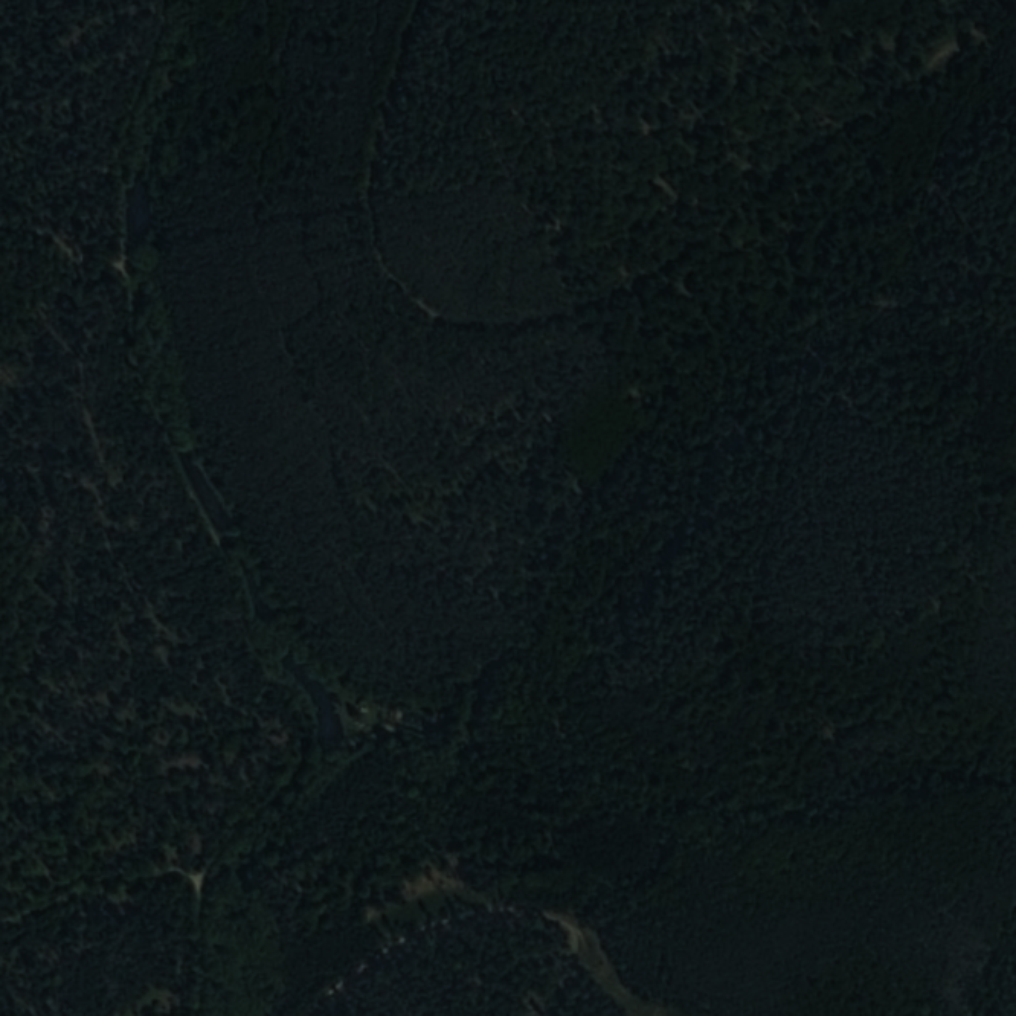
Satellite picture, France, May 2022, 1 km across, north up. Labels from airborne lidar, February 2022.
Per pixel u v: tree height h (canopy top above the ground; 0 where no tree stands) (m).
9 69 30
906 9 30
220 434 21
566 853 15
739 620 23
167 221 13
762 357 13
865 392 27
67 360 12
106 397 13
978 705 22
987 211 28
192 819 27
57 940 11
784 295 30
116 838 18
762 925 17
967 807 27
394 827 13
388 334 21
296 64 13
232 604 13
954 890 23
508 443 23
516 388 25
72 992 14
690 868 23
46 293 31
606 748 14
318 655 26
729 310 30
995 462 12
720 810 11
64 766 29
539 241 19
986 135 30
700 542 31
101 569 7
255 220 16
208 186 13
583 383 29
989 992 16
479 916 24
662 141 29
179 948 9
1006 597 23
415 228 23
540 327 28
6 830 29
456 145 28
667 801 13
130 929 20
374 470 22
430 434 27
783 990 21
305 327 20
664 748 13
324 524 18
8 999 25
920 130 19
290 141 13
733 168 31
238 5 15
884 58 33
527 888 11
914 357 15
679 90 22
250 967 18
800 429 23
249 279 18
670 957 21
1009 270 26
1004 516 19
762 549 22
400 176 28
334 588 21
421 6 15
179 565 12
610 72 25
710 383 14
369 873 28
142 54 9
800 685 14
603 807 14
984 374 23
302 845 9
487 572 12
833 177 21
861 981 20
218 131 13
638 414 27
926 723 29
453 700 22
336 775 22
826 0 27
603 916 23
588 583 14
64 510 27
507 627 26
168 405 24
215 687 13
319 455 21
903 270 13
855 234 14
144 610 29
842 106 28
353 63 15
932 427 26
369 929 12
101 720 9
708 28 23
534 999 29
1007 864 26
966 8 32
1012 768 26
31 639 23
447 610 21
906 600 25
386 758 12
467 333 21
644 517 9
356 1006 28
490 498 25
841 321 11
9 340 32
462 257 18
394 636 22
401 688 23
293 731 11
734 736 9
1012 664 22
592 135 24
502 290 23
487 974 31
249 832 21
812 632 21
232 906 16
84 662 27
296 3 10
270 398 18
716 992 21
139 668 11
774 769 12
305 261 21
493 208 19
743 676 9
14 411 7
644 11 24
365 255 22
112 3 10
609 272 22
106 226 36
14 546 22
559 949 31
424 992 29
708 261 26
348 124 15
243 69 12
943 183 14
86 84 27
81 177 35
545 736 16
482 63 28
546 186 22
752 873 21
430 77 23
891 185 10
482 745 18
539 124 28
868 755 12
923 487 25
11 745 26
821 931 18
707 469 11
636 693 13
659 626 32
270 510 21
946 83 10
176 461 11
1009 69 12
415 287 20
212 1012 19
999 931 14
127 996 11
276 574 21
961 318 26
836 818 27
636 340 31
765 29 25
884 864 25
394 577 23
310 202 15
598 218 32
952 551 19
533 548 9
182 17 17
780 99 30
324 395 19
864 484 25
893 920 23
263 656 21
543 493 32
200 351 17
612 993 0
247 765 30
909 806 32
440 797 17
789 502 29
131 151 18
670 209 30
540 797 15
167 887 16
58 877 16
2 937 12
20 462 11
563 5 27
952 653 23
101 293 28
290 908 24
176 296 19
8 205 29
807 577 25
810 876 22
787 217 32
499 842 25
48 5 26
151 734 11
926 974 20
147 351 27
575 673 10
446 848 9
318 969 14
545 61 22
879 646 24
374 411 25
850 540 25
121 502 30
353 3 12
